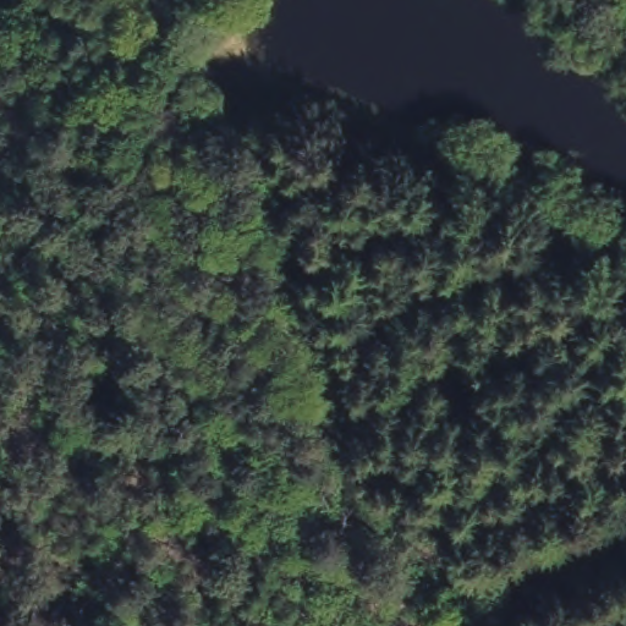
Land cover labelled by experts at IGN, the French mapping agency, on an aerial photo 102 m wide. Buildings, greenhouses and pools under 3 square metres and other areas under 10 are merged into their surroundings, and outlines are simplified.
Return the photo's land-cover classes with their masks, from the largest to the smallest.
<instances>
[{"label":"coniferous trees","instance_id":"1","mask_svg":"<svg viewBox=\"0 0 626 626\"><path fill-rule=\"evenodd\" d=\"M208 5L205 0H149V12L157 22V37L142 44L134 59H120L110 54L100 61H90L83 78L76 83H56L54 88L32 86L22 90L12 105H5L0 100V403L12 394L20 374L39 364L44 369L42 379L49 381L51 391L66 396L76 408H86L95 421L108 423L115 433H132L134 425L161 423L166 438L179 440L193 425L205 423L213 416L227 413L237 433L242 435H264L279 440L284 438L289 443L284 452L286 467L301 482L311 477L313 467L308 465L313 460H323L325 455H330V460H335L342 470V514L330 518L325 514L306 509L298 521V536L293 540L281 543L284 558L342 562L350 577H355L362 587L369 582H381L391 589V577L399 575L411 580L413 567H418V560L433 555V550H438L452 565H460L470 560L472 553H477L484 562L479 575L472 580L452 582L465 594L450 599L452 606L462 614V626H626V218H619L624 203L619 198H611L602 183L582 186V169H570L555 152H536V166L528 174H523L516 166L518 144L509 134L496 132L494 122L487 120L447 127L445 137L438 144V152L447 159V164L443 169L428 171L406 147H399L394 142H372L367 137L355 134L352 130L342 132L345 117L325 110L323 103L308 105L301 117H281L276 112L274 122H259L249 115H230L223 108V112H213L210 117L181 120V115H176L164 127H157L152 142L142 152L139 169L130 183L115 181L110 174L90 169H51V154L56 152L61 130L66 125L68 105L81 95L100 98L112 88H137L142 76L152 78V71L142 68L144 61L149 56L166 51L164 46L169 32L176 24H183L188 17L198 15ZM257 215L264 218L271 232L281 235L289 242L286 257L279 267L284 274L279 289L269 286L262 279L259 269L218 274L203 271V232L230 230L232 223H247ZM518 7L516 12H523L528 17V34L553 42L548 59L550 68L575 71L582 76L594 73L606 86L616 81L621 73H626V0H509ZM34 558V543L20 533L15 518H5L0 514V626H110L117 604L132 597L137 584L147 575H142L137 565H130L127 560L120 562L117 570L105 572V567L95 558H83V594L61 592L42 609L22 614L20 604L27 594L34 592L29 565Z\"/></svg>","mask_w":626,"mask_h":626},{"label":"deciduous trees","instance_id":"2","mask_svg":"<svg viewBox=\"0 0 626 626\"><path fill-rule=\"evenodd\" d=\"M61 0H0V100L5 105H12L22 90L32 86L54 88L56 83H76L83 78L90 61H100L110 54L120 59H134L142 44L157 37V22L149 12V0H120L115 7L105 12L100 29L86 32L51 15V7ZM208 5L198 15L188 17L183 24H176L169 32L164 46L166 51L149 56L144 61L142 68L152 71V78L142 76L137 88H112L100 98L81 95L68 105L66 125L61 130L56 152L51 154V169H90L110 174L115 181L130 183L139 169L142 152L152 142L157 127H164L176 115H181V120L210 117L213 112H223V93L218 90V86L205 81V64L210 59L232 56V51L225 46V39L230 34H240L247 42V37L254 29L267 24L274 0H205ZM609 95L619 103V112L626 117V73H621L616 81L606 86ZM289 242L281 235L271 232L264 218L257 215L247 223H232L230 230L203 232V271L218 274L259 269L262 279L269 286L279 289L284 274L279 267L286 257ZM44 369L39 364L20 374L12 394L0 403V514L5 518H15L20 533L34 543V558L29 565L34 592L27 594L20 604L22 614L42 609L61 592L83 594V558H95L105 567V572L117 570L120 562L127 560L130 565H137L142 575H147L137 584L132 597L117 604L110 626H462V614L452 606L450 599L465 594L452 582L472 580L479 575L484 562L477 553H472L470 560L460 565H452L438 550H433V555L418 560V567H413L411 580L399 575L391 577V589L381 582H369L362 587L355 577H350L342 562L284 558L281 543L293 540L298 536V521L306 509L325 514L330 518L342 514V470L335 460H330V455H325L323 460H313L308 465L313 467L311 477L301 482L286 467L284 452L289 443L284 438L279 440L264 435H242L237 433L227 413L213 416L205 423L193 425L179 440L166 438L161 423L134 425L132 433H115L108 423L95 421L86 408H76L66 396L51 391L49 381L42 379Z\"/></svg>","mask_w":626,"mask_h":626},{"label":"water","instance_id":"3","mask_svg":"<svg viewBox=\"0 0 626 626\"><path fill-rule=\"evenodd\" d=\"M518 7L509 0H274L267 24L254 29L247 37V42L240 34H230L225 39V46L232 51V56L210 59L205 64V81L218 86V90L223 93V108L230 115H249L259 122H274L276 112L281 117H301L308 105L323 103L325 110L345 117L342 132L352 130L355 134L367 137L372 142H394L399 147H406L428 171L443 169L447 164V159L438 152V144L445 137L447 127L487 120L494 122L496 132L509 134L518 144L516 166L523 174H528L536 166V152H555L570 169H582V186L602 183L611 198H619L624 203L619 218H626V117L619 112V103L609 95L606 86L594 73L582 76L575 71L550 68L548 59L553 42L528 34V17L523 12H516Z\"/></svg>","mask_w":626,"mask_h":626},{"label":"herbaceous vegetation","instance_id":"4","mask_svg":"<svg viewBox=\"0 0 626 626\"><path fill-rule=\"evenodd\" d=\"M120 0H61L51 7V15L86 32L100 29L105 12L115 7Z\"/></svg>","mask_w":626,"mask_h":626}]
</instances>
